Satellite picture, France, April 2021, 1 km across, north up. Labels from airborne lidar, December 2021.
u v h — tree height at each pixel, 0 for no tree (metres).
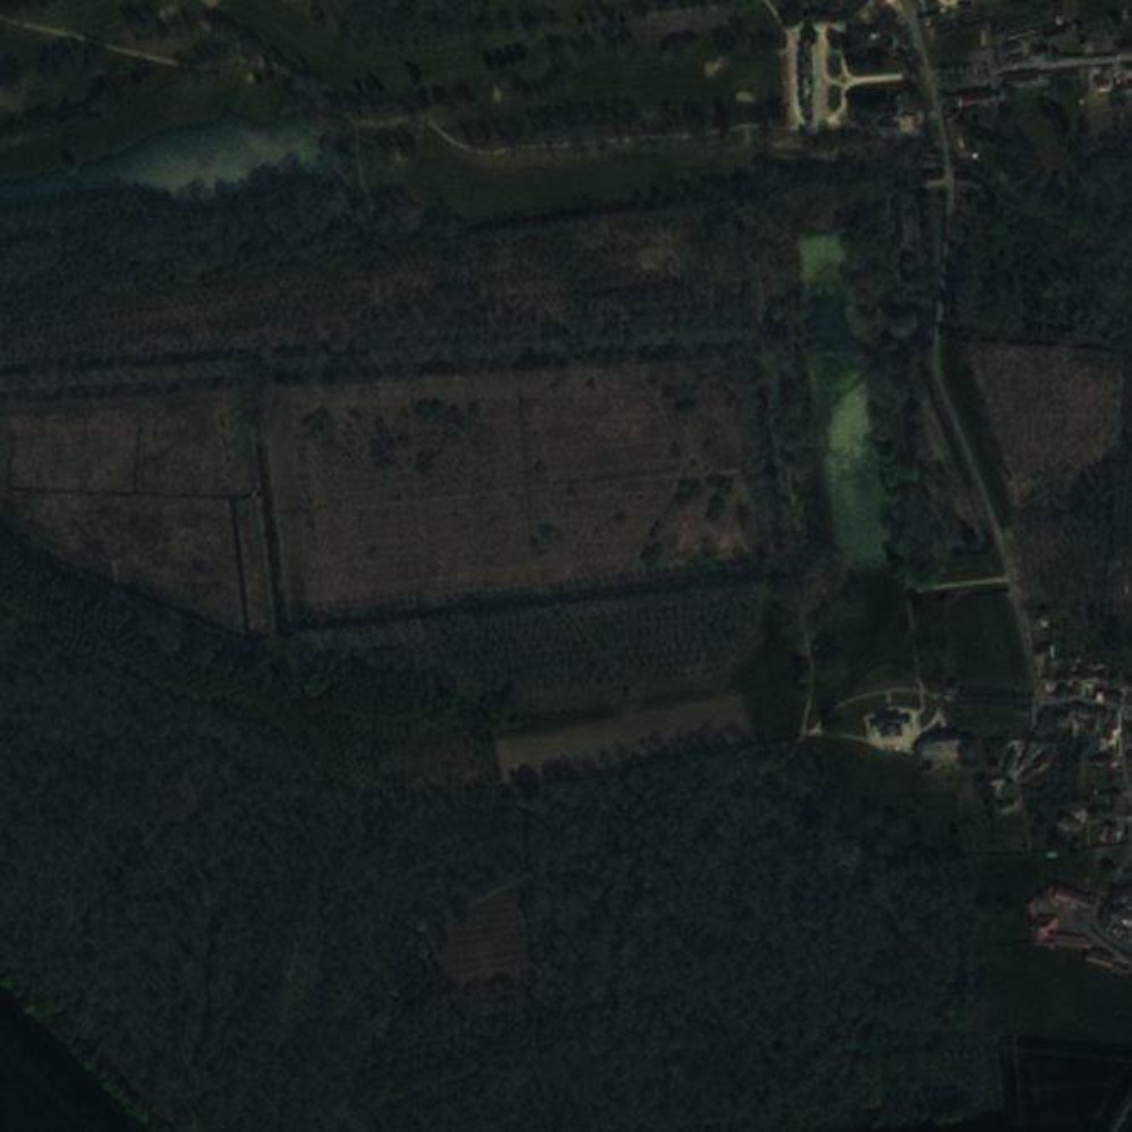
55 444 0
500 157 0
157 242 38
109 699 32
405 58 0
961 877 19
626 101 0
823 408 0
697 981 30
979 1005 25
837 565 25
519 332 25
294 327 21
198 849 28
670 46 11
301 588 0
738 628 34
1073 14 0
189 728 20
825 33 0
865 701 0
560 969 19
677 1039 29
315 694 26
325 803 24
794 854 37
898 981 27
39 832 32
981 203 19
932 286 18
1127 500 25
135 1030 11
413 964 19
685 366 21
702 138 20
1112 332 13
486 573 0
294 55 0
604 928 25
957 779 0
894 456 20
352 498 0
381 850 19
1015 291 34
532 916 20
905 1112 20
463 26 21
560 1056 25
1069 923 0
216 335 22
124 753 22
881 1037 20
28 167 0
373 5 26
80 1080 0
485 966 0
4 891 28
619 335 21
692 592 33
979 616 0
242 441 0
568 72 25
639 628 34
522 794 24
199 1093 20
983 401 8
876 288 18
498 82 0
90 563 0
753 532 21
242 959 25
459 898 18
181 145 0
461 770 0
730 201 16
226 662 31
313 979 26
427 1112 24
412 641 38
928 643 21
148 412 0
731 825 32
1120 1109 0
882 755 0
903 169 20
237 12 0
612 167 0
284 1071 29
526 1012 9
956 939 25
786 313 22
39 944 26
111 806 31
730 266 28
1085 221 29
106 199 20
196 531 0
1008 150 26
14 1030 0
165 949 20
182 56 0
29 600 29
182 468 0
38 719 36
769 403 11
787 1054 30
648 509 0
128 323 23
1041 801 7
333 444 6
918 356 11
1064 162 0
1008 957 0
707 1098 28
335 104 18
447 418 6
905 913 30
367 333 20
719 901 33
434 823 10
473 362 26
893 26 17
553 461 0
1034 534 23
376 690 27
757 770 21
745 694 0
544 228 14
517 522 0
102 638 29
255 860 16
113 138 0
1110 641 12
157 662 30
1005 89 10
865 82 0
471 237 9
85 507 0
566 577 0
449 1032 12
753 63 0
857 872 28
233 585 0
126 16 16
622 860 28
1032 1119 0
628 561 0
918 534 25
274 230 31
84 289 15
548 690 38
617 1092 32
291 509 0
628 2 0
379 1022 19
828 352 0
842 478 0
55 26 0
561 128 23
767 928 29
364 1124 23
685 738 0
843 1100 28
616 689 28
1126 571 26
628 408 0
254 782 28
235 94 0
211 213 38
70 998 10
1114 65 0
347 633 35
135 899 30
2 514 0
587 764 0
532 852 21
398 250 12
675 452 6
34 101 0
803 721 0
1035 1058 0
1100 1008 0
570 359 22
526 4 0
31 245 33
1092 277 11
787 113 23
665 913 28
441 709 30
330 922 23
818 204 27
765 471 21
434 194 0
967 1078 13
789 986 30
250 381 23
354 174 20
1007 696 7
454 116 16
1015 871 0
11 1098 0
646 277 9
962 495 0
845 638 0
